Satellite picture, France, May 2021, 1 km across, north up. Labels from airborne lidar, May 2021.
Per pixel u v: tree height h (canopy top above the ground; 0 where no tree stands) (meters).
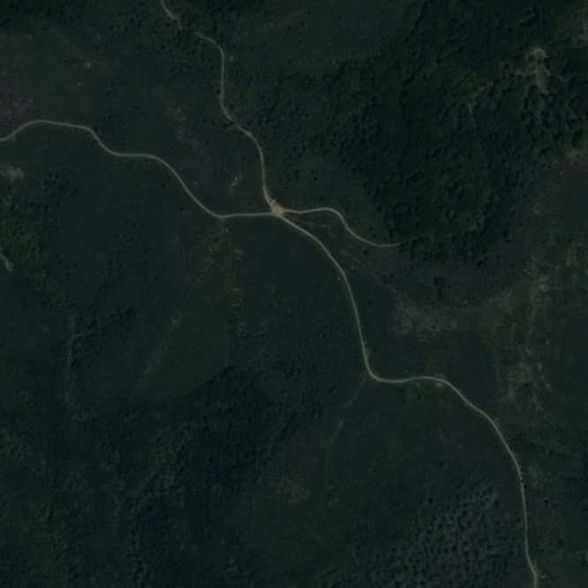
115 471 14
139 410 10
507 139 9
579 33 8
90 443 8
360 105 16
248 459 13
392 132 30
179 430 7
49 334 6
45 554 10
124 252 7
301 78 11
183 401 9
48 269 11
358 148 14
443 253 14
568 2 23
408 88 26
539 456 7
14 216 11
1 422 16
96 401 9
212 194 0
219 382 14
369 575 17
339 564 11
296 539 7
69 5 13
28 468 12
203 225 0
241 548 8
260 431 11
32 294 8
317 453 0
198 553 8
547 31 20
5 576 12
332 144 9
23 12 19
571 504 7
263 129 9
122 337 8
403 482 6
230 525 7
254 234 0
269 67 8
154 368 0
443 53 29
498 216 20
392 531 8
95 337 12
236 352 6
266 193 0
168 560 9
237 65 14
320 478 0
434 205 28
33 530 11
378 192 11
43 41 0
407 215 19
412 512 7
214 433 24
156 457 16
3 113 0
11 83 0
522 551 6
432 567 17
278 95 9
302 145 6
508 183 15
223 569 7
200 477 16
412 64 30
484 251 11
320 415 9
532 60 13
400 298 0
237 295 6
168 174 8
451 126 27
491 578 6
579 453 6
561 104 26
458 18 27
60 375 12
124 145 7
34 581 12
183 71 10
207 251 0
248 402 14
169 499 10
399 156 23
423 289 6
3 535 10
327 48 6
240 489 7
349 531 6
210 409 20
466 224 25
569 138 28
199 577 12
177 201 0
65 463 7
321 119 7
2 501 13
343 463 0
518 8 26
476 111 8
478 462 7
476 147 24
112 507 9
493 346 0
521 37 26
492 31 28
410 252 6
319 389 8
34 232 6
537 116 30
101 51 9
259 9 13
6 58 0
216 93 8
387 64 17
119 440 10
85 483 8
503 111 19
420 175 25
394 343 0
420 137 27
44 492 11
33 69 0
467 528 14
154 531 12
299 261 0
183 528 10
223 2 13
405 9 7
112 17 11
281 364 13
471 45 26
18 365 7
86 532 6
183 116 0
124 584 9
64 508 15
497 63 27
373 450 0
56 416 6
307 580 9
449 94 18
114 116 9
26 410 13
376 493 7
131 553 10
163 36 6
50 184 16
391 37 11
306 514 0
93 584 10
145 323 0
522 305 0
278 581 8
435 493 8
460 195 23
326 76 10
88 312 12
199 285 0
